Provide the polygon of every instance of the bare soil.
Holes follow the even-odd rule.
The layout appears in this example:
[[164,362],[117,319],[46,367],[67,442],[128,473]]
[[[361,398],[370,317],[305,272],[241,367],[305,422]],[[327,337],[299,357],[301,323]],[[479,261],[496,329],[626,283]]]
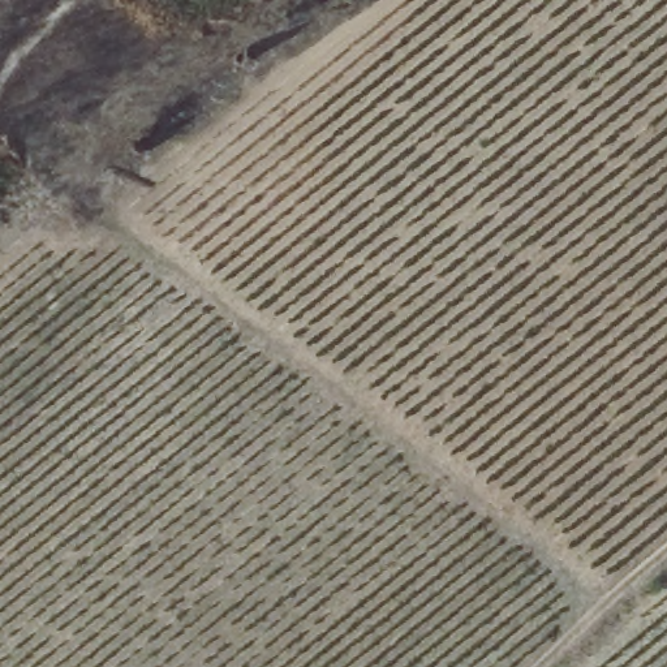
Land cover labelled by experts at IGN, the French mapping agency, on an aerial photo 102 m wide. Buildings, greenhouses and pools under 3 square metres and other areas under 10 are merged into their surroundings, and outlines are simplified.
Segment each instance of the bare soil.
[[307,47],[320,42],[336,26],[341,26],[347,18],[357,16],[370,0],[248,0],[253,10],[248,23],[237,23],[232,18],[208,18],[206,23],[190,23],[180,16],[172,16],[172,10],[162,0],[0,0],[0,135],[8,135],[16,154],[26,154],[23,177],[10,182],[8,195],[0,201],[0,255],[5,245],[10,245],[29,229],[47,229],[55,234],[76,232],[78,227],[89,227],[104,208],[117,211],[120,201],[133,198],[138,188],[154,188],[151,177],[141,175],[141,167],[154,164],[159,159],[159,146],[206,130],[242,99],[245,78],[263,81],[279,63],[302,55]]

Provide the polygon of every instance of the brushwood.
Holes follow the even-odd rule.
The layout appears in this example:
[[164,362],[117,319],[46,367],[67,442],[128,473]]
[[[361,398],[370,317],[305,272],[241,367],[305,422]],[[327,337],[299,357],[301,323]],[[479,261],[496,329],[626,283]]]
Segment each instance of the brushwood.
[[162,0],[172,10],[172,16],[180,16],[190,23],[206,23],[208,18],[232,18],[237,23],[248,23],[253,10],[248,0]]

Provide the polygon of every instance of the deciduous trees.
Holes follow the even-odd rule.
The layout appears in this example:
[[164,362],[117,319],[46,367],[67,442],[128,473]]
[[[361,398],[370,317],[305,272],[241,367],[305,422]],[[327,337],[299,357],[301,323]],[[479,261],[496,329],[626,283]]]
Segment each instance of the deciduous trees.
[[8,195],[10,182],[23,177],[26,154],[16,154],[8,135],[0,135],[0,201]]

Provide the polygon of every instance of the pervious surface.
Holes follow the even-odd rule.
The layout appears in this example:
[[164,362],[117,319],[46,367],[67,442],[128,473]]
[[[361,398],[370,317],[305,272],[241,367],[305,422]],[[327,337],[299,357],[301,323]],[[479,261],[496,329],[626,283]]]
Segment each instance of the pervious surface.
[[638,589],[646,597],[659,594],[662,589],[667,591],[667,547],[657,542],[633,565],[628,565],[620,573],[610,573],[599,586],[581,586],[578,604],[560,620],[560,636],[552,644],[547,644],[539,654],[529,657],[521,667],[555,667],[555,662],[573,646],[578,646],[607,612],[615,610],[617,602],[623,602]]

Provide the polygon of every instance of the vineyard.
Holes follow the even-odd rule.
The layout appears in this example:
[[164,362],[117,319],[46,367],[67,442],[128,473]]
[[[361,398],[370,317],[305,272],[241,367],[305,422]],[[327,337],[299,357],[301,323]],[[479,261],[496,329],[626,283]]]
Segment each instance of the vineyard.
[[638,589],[623,602],[617,602],[615,610],[607,612],[578,646],[573,646],[555,662],[555,667],[667,667],[667,591],[662,589],[659,594],[646,597]]
[[5,245],[0,255],[0,667],[521,667],[529,657],[539,654],[547,644],[552,644],[560,636],[560,620],[578,604],[581,586],[599,586],[610,573],[620,573],[628,565],[633,565],[657,542],[667,547],[667,0],[370,0],[357,16],[347,18],[341,26],[336,26],[320,42],[307,47],[302,55],[279,63],[263,81],[245,78],[242,99],[206,130],[159,146],[159,159],[154,164],[141,167],[141,175],[151,177],[154,188],[138,188],[133,198],[120,201],[117,211],[104,208],[89,227],[78,227],[76,232],[55,234],[47,229],[29,229],[10,245]]

